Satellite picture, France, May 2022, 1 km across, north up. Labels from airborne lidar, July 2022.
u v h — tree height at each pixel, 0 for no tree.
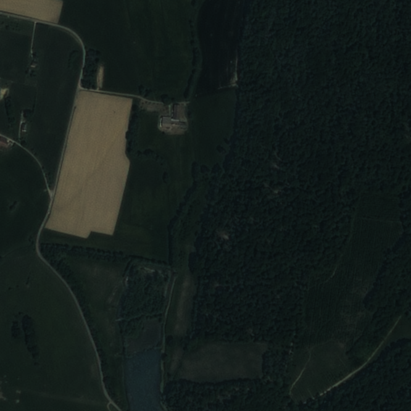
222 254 29
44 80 0
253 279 30
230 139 0
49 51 0
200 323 30
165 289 0
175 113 0
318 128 30
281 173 21
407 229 23
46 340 0
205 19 0
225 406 22
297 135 26
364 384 28
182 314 0
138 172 0
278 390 18
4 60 0
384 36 29
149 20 0
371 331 13
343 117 26
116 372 0
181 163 0
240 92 18
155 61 0
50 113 0
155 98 0
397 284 28
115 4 0
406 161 29
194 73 16
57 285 0
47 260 15
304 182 25
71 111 0
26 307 0
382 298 26
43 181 0
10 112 20
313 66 32
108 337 0
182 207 17
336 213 29
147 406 0
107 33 0
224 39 0
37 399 0
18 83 0
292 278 23
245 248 23
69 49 0
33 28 0
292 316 33
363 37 28
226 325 28
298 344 8
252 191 37
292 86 36
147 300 18
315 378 0
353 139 28
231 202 28
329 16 21
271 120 26
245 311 30
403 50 31
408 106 32
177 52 0
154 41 0
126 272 10
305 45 28
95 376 0
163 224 0
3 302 0
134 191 0
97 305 0
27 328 26
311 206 28
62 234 0
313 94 28
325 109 30
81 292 18
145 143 0
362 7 26
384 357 24
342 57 26
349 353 12
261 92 23
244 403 18
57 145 0
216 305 23
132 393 0
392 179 29
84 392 0
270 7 30
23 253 0
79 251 17
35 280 0
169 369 0
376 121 25
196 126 0
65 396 0
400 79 19
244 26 22
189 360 0
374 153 22
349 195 22
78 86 0
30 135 0
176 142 0
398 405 28
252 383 26
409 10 26
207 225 31
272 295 26
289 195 26
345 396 29
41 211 0
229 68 0
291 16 20
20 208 0
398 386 29
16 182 0
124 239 0
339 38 24
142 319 9
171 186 0
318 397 11
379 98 27
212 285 26
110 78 0
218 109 0
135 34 0
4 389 0
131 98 0
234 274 24
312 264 28
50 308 0
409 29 27
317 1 29
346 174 29
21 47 0
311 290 7
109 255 17
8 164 0
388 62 29
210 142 0
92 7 0
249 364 0
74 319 0
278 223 24
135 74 0
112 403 0
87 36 0
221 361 0
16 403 0
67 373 0
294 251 26
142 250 0
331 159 24
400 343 10
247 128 20
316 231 20
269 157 17
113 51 0
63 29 0
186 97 18
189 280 0
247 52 27
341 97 19
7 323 0
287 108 28
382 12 32
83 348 0
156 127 0
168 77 0
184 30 0
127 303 20
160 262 13
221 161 0
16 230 0
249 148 28
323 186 28
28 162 0
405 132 34
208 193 0
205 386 20
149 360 0
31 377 0
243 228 31
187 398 16
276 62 23
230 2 0
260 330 23
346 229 27
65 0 0
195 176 23
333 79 23
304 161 26
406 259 19
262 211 21
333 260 29
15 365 0
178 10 0
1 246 0
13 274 0
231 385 21
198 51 17
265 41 25
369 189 31
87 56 17
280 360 23
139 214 0
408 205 28
